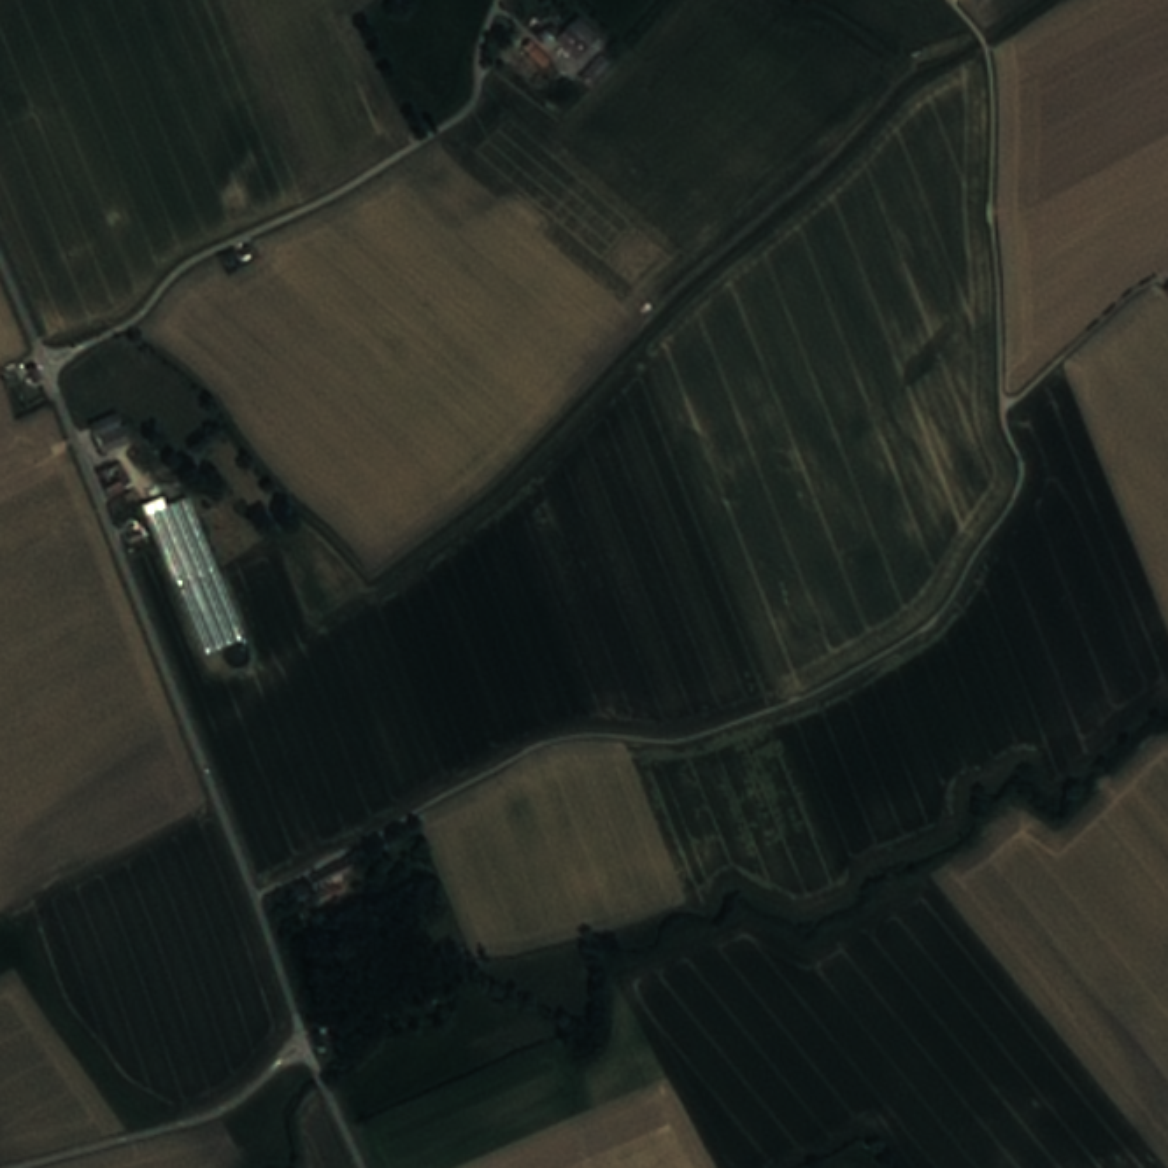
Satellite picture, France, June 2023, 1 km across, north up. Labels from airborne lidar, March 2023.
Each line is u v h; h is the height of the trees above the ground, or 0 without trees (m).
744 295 0
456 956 23
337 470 0
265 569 0
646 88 0
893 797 0
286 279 0
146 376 0
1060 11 0
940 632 0
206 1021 0
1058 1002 0
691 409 0
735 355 0
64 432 0
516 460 0
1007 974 0
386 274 0
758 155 0
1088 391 0
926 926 0
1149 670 0
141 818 0
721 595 0
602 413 0
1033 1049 0
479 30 0
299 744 0
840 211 0
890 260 0
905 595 0
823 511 0
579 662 0
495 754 0
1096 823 0
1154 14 0
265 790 0
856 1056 0
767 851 0
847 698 0
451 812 0
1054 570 0
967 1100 0
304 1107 0
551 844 0
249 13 0
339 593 0
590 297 0
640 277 0
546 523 0
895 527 0
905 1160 0
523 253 0
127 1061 0
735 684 0
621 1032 0
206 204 0
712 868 0
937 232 0
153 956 0
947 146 0
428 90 0
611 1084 0
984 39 0
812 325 0
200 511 0
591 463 0
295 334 0
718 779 0
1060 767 0
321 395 0
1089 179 0
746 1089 0
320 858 0
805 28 0
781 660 0
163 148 0
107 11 0
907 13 0
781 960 0
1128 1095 0
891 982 0
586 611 0
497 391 0
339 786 0
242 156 0
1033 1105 0
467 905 0
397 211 0
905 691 0
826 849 0
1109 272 0
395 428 0
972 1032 0
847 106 0
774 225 0
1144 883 0
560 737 0
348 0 0
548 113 0
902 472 0
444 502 0
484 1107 0
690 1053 0
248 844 0
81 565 0
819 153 0
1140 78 0
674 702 0
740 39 0
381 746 0
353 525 0
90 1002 0
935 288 0
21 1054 0
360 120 0
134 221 0
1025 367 0
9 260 0
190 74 0
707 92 0
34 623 0
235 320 0
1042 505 0
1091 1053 0
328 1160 0
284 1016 0
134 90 0
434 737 0
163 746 0
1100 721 0
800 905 0
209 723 0
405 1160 0
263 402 0
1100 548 0
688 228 0
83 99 0
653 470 0
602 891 0
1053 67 0
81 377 0
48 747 0
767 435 0
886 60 0
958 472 0
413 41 0
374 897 19
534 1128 0
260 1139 0
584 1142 0
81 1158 0
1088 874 0
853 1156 0
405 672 0
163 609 0
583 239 0
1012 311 0
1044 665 0
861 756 0
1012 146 0
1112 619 0
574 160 0
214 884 0
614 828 0
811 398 0
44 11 0
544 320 0
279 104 0
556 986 0
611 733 0
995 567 0
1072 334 0
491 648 0
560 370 0
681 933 0
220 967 0
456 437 0
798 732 0
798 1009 0
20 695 0
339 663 0
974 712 0
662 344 0
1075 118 0
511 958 0
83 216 0
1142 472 0
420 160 0
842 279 0
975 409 0
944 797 0
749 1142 0
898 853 0
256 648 0
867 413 0
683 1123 0
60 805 0
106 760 0
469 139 0
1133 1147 0
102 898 0
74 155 0
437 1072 0
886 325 0
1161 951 0
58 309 0
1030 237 0
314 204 0
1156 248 0
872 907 0
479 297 0
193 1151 0
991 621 0
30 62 0
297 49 0
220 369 0
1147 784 0
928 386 0
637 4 0
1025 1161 0
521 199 0
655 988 0
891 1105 0
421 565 0
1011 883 0
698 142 0
